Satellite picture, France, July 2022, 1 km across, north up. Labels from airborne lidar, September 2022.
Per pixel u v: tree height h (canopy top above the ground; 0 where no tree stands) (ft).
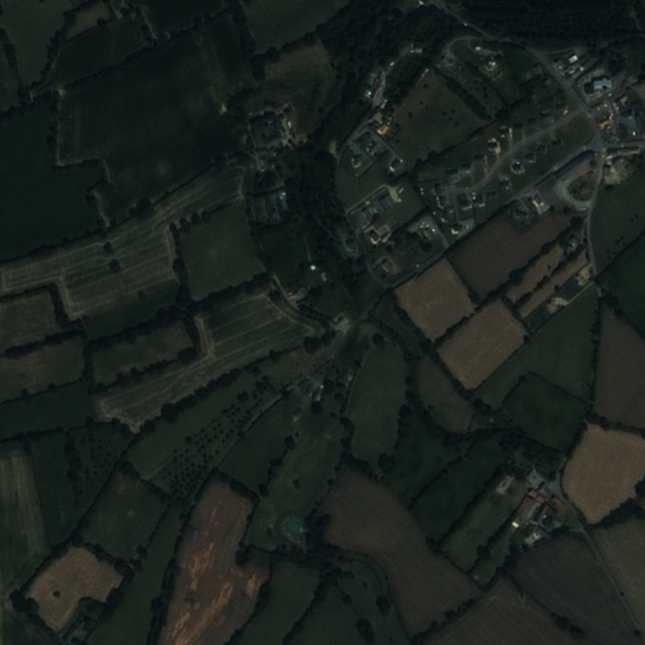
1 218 0
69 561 0
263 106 0
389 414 0
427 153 0
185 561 0
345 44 81
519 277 54
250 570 0
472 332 0
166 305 0
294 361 0
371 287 0
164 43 79
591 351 0
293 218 33
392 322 0
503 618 0
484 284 0
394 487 0
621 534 0
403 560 0
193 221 37
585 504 0
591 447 0
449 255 20
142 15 19
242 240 0
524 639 0
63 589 0
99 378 0
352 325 0
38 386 0
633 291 0
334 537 0
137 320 0
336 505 0
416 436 0
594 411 31
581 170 0
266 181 39
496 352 0
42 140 0
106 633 0
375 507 0
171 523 0
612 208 0
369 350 22
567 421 0
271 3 0
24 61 0
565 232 30
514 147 0
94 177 0
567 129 0
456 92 38
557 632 0
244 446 0
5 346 0
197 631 0
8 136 0
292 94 0
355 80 56
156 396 0
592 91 33
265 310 0
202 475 21
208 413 0
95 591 0
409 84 36
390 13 36
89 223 0
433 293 0
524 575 0
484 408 65
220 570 0
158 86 0
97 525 0
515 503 0
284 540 0
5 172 0
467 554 0
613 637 0
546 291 0
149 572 0
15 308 0
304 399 0
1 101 0
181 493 22
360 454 0
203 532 0
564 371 0
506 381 0
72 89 32
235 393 0
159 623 41
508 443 27
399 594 0
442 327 0
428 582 0
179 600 0
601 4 93
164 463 0
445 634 0
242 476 0
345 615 0
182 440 0
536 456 20
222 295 47
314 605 25
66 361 0
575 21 21
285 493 0
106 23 52
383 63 46
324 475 0
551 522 35
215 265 0
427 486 20
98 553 75
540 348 0
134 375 54
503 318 0
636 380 0
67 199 0
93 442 31
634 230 0
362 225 0
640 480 0
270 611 0
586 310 0
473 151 0
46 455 0
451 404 0
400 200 0
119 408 0
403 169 0
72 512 0
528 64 0
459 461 22
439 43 44
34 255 41
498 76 0
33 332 0
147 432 58
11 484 0
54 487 0
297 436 28
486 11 85
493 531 0
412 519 0
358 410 0
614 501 0
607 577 0
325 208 27
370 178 0
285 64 0
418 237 35
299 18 0
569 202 0
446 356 0
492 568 0
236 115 25
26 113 49
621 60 28
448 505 0
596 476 0
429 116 0
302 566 33
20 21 0
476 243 0
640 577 0
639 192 0
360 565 0
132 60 47
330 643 0
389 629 0
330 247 36
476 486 0
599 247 0
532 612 0
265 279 46
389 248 23
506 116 43
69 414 0
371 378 0
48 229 0
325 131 31
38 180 0
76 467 32
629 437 0
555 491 0
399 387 0
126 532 0
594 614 0
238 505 0
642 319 0
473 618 0
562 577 0
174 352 0
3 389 0
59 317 71
